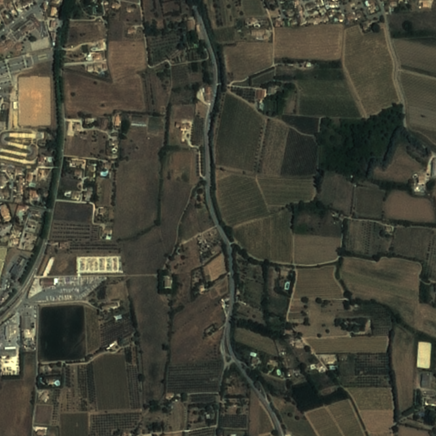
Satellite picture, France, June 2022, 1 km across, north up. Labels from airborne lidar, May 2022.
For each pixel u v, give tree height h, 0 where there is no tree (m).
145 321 0
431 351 0
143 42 0
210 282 8
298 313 0
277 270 9
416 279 0
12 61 0
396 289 0
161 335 0
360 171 9
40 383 12
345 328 8
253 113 0
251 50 0
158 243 0
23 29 0
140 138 0
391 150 19
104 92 0
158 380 0
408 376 0
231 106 0
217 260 0
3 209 0
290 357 0
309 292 0
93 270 0
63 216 0
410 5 8
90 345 0
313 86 0
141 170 0
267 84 8
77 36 0
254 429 0
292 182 0
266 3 11
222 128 0
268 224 0
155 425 11
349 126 7
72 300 0
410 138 19
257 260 8
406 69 0
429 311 0
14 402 0
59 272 0
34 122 0
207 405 5
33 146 0
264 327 9
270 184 0
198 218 0
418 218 0
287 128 0
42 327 0
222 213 0
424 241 0
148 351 0
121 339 10
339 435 0
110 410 0
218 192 0
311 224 0
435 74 0
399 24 0
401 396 0
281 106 7
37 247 13
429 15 0
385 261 0
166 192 0
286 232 0
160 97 0
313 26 0
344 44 0
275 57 0
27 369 0
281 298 0
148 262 0
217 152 0
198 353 0
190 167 0
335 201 0
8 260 0
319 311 0
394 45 0
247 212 0
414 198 0
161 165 0
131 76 0
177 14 5
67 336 0
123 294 0
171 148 6
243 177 0
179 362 0
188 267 0
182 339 0
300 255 0
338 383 7
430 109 0
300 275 0
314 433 0
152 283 0
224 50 0
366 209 0
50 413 0
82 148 0
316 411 0
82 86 0
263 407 0
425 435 0
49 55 0
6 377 12
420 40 0
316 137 7
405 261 0
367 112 0
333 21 0
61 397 0
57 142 12
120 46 0
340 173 7
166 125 7
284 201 0
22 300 0
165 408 9
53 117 0
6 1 0
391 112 6
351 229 0
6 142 0
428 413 11
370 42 0
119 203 0
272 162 0
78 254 0
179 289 0
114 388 0
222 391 6
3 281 0
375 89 0
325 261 0
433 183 8
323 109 0
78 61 0
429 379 0
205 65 11
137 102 0
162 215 0
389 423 0
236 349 7
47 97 0
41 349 0
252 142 0
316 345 0
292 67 0
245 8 0
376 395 0
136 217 0
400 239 0
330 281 0
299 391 9
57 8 5
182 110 0
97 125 7
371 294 0
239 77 0
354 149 14
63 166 7
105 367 0
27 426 0
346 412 0
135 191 0
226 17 0
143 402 0
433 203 0
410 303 0
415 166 0
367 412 0
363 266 0
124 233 0
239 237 0
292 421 0
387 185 11
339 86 0
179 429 0
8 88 0
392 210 0
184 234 0
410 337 0
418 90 0
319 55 0
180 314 0
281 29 0
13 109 0
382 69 0
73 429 0
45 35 0
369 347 0
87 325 0
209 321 0
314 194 0
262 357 10
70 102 0
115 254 0
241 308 0
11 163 0
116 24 0
